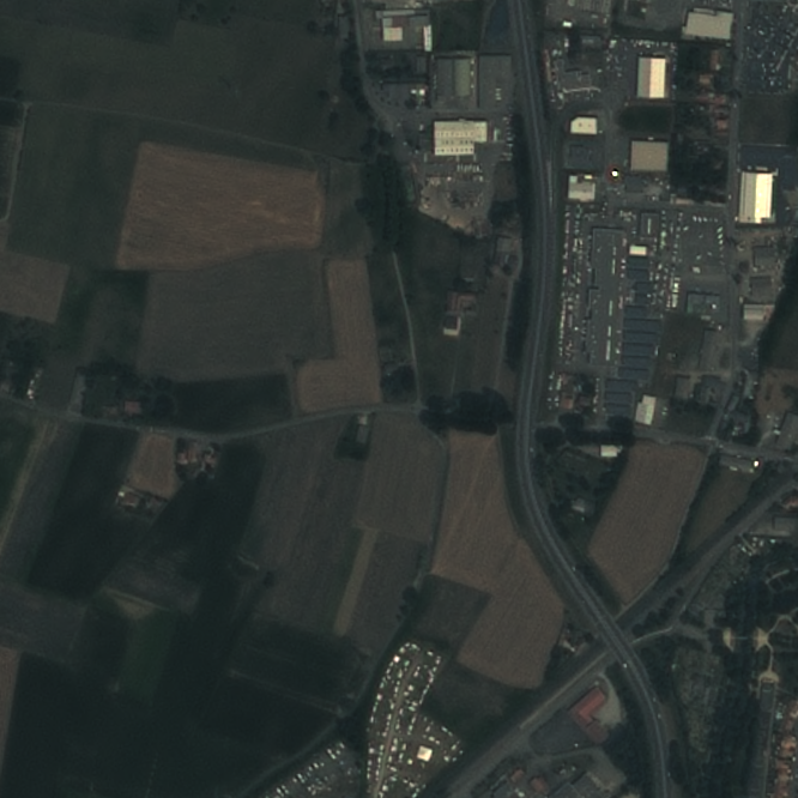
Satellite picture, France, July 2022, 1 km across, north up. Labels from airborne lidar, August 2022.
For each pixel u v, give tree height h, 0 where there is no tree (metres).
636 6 0
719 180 9
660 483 0
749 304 0
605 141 0
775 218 0
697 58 6
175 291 0
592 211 0
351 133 0
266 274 0
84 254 0
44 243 0
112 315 0
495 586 0
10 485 0
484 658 0
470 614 0
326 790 0
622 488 0
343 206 0
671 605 12
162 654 0
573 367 0
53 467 0
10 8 0
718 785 30
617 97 0
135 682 0
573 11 0
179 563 0
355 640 0
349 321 0
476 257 0
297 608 0
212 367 0
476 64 0
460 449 0
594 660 0
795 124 0
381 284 0
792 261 12
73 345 0
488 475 0
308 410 0
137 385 9
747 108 0
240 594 0
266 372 0
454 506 0
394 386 17
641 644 0
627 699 8
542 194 0
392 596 0
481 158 0
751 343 0
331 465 0
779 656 6
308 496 0
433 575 0
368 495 0
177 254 0
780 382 0
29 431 0
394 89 0
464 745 0
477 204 0
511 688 0
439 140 0
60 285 0
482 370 0
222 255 0
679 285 0
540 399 0
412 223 0
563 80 0
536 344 0
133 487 0
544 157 0
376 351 0
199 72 0
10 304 0
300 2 0
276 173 0
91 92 0
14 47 0
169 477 0
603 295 0
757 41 0
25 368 12
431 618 0
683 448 0
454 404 16
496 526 0
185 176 0
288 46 0
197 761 0
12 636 0
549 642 0
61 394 0
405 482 0
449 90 0
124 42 0
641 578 0
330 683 0
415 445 0
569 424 14
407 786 0
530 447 0
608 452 0
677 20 0
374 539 0
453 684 0
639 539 0
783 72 0
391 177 16
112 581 0
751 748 17
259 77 0
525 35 0
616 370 0
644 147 0
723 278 0
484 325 0
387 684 0
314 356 0
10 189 0
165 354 0
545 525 0
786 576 6
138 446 0
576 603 0
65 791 0
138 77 0
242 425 0
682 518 0
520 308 14
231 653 0
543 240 0
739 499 0
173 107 0
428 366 0
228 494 0
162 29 0
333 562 0
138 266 0
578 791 0
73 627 0
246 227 0
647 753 15
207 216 0
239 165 0
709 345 0
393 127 0
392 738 0
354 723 12
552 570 0
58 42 0
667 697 15
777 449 0
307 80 0
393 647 0
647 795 11
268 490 0
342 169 0
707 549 0
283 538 0
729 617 9
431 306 0
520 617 0
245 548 0
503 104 0
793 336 0
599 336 0
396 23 0
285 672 0
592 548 0
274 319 0
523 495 0
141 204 0
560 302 0
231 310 0
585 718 0
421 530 0
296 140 0
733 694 14
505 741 0
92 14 0
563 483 0
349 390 0
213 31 0
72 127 0
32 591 0
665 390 0
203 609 0
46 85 0
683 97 0
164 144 0
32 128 0
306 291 0
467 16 0
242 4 0
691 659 0
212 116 0
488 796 0
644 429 0
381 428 0
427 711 0
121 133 0
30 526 0
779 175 0
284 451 0
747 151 0
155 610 0
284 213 0
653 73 0
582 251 0
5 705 0
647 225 0
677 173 11
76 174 0
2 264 0
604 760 0
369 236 0
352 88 9
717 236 0
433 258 0
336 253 0
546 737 0
